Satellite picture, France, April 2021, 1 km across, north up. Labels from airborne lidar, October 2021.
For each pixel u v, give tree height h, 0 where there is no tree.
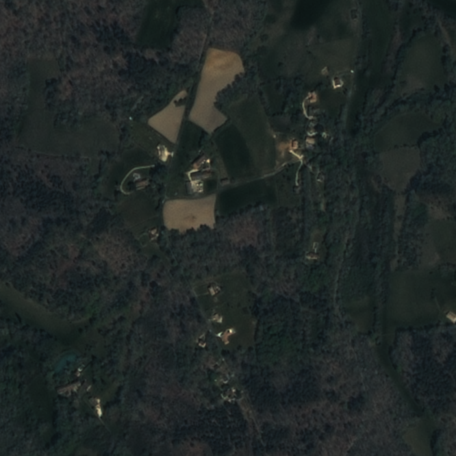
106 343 9
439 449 22
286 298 16
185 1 0
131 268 10
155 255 0
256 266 21
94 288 21
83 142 0
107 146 0
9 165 13
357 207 20
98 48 12
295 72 0
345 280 10
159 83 19
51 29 21
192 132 0
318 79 0
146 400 22
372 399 21
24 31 11
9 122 16
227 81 0
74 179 8
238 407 14
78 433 17
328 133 12
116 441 10
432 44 0
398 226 0
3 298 0
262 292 19
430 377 29
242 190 0
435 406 21
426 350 24
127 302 22
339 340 9
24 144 0
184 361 17
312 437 16
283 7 0
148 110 8
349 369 13
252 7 23
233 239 21
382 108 13
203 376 18
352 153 19
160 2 0
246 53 18
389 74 0
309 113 0
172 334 18
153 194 10
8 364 24
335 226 22
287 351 21
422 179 23
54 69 0
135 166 0
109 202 14
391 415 20
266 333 13
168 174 18
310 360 17
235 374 14
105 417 7
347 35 0
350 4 0
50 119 0
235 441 16
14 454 19
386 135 0
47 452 16
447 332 14
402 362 21
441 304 0
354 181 19
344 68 0
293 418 13
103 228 7
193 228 0
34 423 15
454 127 19
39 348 20
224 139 0
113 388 0
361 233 12
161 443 13
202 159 0
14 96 14
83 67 12
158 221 0
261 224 16
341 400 18
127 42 19
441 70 0
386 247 10
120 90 13
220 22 16
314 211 11
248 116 0
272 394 23
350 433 18
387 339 0
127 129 11
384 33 0
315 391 26
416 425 8
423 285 0
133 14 16
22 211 10
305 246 19
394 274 0
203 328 18
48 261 27
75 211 9
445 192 25
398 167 0
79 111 19
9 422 15
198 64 16
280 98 0
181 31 20
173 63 15
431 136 6
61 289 12
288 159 0
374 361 17
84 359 6
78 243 20
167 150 0
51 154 0
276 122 0
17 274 20
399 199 0
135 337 16
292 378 19
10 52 11
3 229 18
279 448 10
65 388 0
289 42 0
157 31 0
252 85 25
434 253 0
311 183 11
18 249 10
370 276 9
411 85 0
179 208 0
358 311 0
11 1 23
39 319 0
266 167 0
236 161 0
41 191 14
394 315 0
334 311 20
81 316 24
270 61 0
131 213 0
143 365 10
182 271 19
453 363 23
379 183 7
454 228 0
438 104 26
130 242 10
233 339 0
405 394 0
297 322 21
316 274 14
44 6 15
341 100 0
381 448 14
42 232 20
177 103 10
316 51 0
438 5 0
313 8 0
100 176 10
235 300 0
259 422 14
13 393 20
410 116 0
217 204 0
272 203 0
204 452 6
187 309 17
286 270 18
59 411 17
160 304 12
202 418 19
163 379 11
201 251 18
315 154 9
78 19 13
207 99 0
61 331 0
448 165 23
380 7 0
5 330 16
